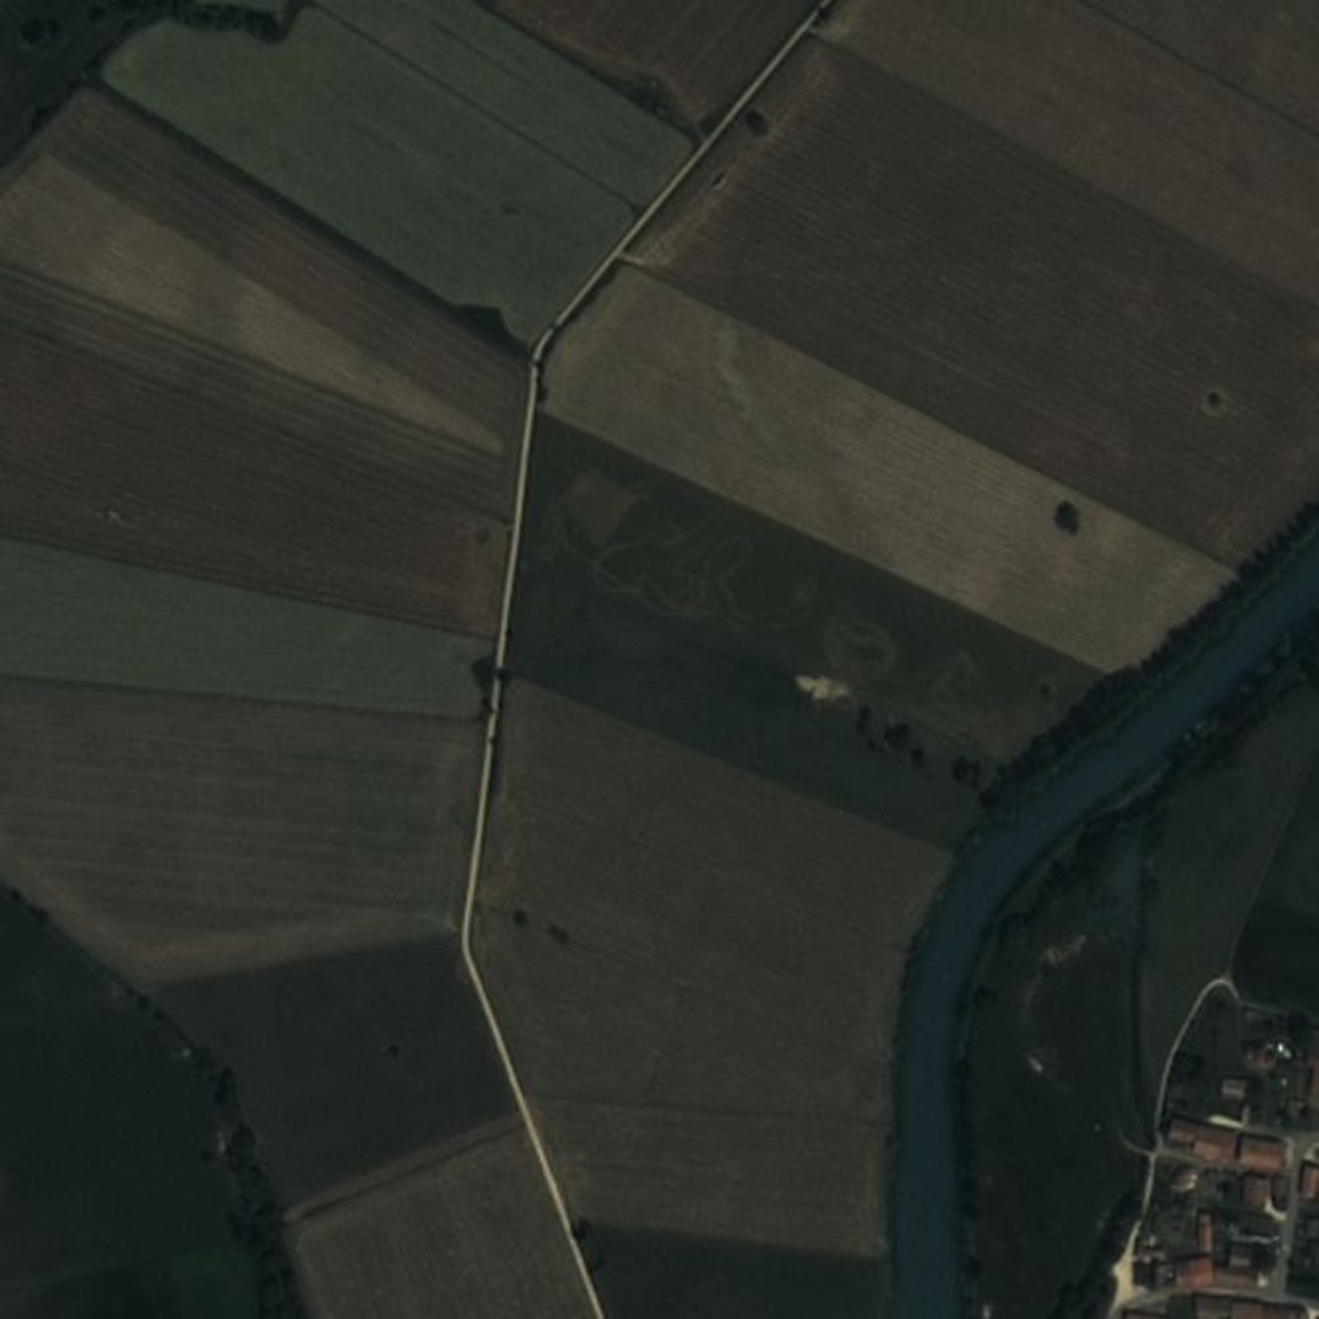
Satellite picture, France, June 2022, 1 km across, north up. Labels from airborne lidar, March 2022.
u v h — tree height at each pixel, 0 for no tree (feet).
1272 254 0
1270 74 0
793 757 0
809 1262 0
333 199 0
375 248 0
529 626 0
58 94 0
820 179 0
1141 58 0
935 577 0
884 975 0
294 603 0
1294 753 0
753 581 0
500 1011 0
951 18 0
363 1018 0
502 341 0
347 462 0
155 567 0
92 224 0
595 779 0
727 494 0
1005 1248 0
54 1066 0
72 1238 0
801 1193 0
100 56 18
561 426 0
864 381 0
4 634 0
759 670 0
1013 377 0
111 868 0
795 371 0
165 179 0
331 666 0
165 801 0
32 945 0
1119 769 0
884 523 0
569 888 0
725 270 0
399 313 0
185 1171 0
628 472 0
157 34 0
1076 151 0
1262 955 0
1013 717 0
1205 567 0
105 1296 0
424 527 0
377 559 0
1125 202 0
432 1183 0
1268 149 0
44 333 0
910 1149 0
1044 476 0
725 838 0
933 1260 0
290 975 0
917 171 0
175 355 0
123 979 0
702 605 0
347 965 0
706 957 0
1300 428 0
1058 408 0
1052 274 0
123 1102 0
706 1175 0
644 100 0
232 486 0
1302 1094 0
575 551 0
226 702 0
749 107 0
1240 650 0
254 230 0
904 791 0
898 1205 0
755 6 0
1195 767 27
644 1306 0
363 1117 0
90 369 0
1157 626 0
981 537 0
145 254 0
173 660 0
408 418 0
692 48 0
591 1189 0
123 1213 0
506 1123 0
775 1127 0
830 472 0
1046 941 0
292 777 0
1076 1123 0
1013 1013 0
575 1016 0
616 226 0
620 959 0
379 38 0
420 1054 0
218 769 0
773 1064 0
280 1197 0
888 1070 0
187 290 0
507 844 0
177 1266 0
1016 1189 0
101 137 0
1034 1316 0
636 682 0
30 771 0
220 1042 0
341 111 0
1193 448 0
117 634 0
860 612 0
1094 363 0
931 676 0
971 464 0
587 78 0
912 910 0
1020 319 0
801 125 0
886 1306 0
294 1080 0
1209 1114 0
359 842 0
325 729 0
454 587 0
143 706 0
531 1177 0
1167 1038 0
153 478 0
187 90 0
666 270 0
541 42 0
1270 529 0
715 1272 0
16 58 0
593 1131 0
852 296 0
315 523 0
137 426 0
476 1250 0
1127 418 0
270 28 77
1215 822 0
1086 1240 0
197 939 0
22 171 0
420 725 0
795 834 0
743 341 0
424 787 0
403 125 0
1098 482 0
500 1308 0
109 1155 0
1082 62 0
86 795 0
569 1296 0
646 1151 0
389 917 0
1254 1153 0
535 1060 0
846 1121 0
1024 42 0
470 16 0
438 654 0
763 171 0
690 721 0
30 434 0
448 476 0
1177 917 0
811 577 0
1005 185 0
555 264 0
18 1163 0
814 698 0
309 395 0
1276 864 0
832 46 0
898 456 0
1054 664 0
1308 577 0
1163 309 0
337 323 0
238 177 0
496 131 0
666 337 0
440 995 0
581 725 0
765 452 0
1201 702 0
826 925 0
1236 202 0
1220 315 0
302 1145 0
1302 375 0
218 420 0
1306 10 0
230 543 0
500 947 0
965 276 0
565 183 0
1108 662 0
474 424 0
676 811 0
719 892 0
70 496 0
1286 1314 0
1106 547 0
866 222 0
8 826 0
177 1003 0
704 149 0
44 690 0
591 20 0
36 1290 0
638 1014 0
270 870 0
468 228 0
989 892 0
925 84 0
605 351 0
